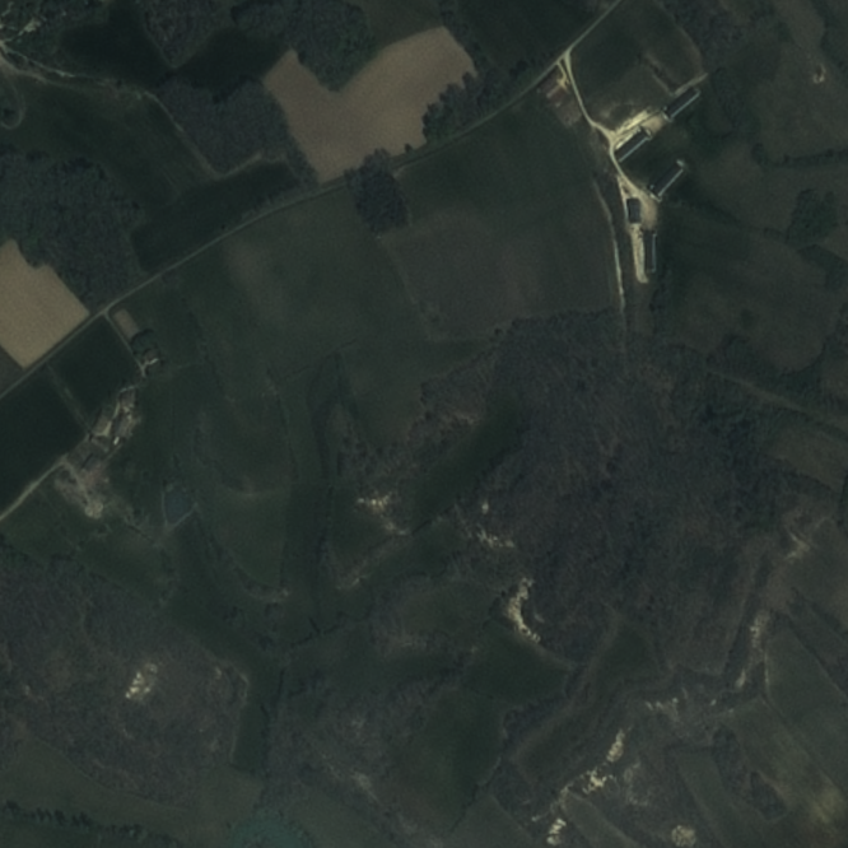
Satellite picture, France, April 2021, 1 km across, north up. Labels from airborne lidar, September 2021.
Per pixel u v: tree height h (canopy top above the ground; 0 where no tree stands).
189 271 0
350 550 0
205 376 0
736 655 8
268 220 0
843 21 0
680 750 13
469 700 0
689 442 12
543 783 11
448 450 16
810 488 12
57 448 0
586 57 0
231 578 0
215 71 0
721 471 15
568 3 0
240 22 20
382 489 9
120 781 9
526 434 17
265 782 6
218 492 0
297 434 0
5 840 0
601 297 0
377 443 0
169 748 9
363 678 0
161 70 0
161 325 0
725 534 9
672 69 0
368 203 22
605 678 0
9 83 0
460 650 12
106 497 0
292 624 0
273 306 0
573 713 0
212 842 0
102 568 0
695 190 0
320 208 0
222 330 0
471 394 16
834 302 0
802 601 11
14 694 16
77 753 10
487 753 0
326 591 0
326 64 19
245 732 0
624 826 13
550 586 8
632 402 16
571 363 16
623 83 0
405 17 0
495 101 16
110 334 0
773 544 0
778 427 6
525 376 21
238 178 0
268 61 0
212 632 0
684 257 0
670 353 16
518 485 11
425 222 0
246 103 20
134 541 0
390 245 0
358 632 0
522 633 0
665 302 10
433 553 0
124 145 0
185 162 0
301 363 0
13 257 0
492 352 9
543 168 0
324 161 0
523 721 12
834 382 0
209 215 0
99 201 24
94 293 17
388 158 17
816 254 7
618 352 14
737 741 7
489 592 0
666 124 0
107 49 0
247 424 0
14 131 0
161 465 0
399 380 0
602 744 9
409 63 0
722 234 0
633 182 0
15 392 0
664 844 9
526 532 14
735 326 0
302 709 0
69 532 0
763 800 16
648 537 16
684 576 7
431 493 0
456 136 17
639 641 0
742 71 0
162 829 0
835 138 0
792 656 0
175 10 6
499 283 0
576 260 0
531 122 0
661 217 0
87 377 0
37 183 19
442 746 0
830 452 0
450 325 0
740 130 11
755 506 19
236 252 0
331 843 0
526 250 0
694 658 0
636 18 0
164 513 0
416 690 10
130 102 0
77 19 13
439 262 0
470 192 0
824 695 0
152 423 0
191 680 0
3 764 12
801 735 0
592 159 0
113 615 19
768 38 0
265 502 0
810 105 0
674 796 14
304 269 0
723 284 0
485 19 0
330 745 0
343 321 0
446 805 0
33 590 16
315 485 0
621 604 11
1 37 14
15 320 0
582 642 12
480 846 0
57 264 21
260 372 0
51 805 0
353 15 19
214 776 0
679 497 18
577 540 10
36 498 0
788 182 0
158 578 0
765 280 0
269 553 0
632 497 16
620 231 10
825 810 0
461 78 0
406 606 8
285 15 21
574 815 0
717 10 17
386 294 0
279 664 30
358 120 0
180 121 18
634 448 16
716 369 12
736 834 0
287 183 0
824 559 0
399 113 0
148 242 0
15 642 12
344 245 0
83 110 0
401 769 0
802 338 0
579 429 13
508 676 0
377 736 9
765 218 0
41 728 15
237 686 13
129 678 9
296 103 0
